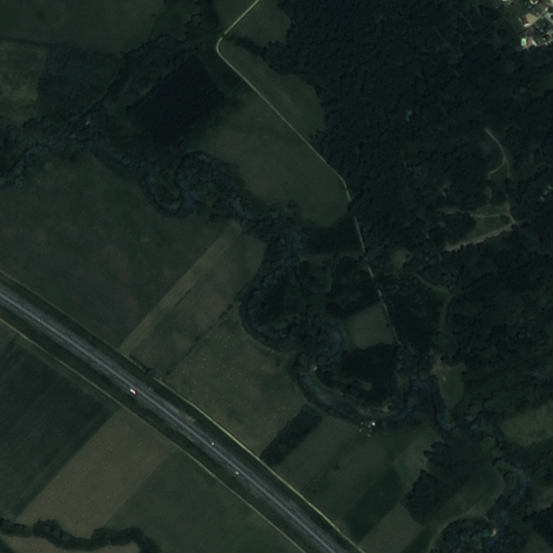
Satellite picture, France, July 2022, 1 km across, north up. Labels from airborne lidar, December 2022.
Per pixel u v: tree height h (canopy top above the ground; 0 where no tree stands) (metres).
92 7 0
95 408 0
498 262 14
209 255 0
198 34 11
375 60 40
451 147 5
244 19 0
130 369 0
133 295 0
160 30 0
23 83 0
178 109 0
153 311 0
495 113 7
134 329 0
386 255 7
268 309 23
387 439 0
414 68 37
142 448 0
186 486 0
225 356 0
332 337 27
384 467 0
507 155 0
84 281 0
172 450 0
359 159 37
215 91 0
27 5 0
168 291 0
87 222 0
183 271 0
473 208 8
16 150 16
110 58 5
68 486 0
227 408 0
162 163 17
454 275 0
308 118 0
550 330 0
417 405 18
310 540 0
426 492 32
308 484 0
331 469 0
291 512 0
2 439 0
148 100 6
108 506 0
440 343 15
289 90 0
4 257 0
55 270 0
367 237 29
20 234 0
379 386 10
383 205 41
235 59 0
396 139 39
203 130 7
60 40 0
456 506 0
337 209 0
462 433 16
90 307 0
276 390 0
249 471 0
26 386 0
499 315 11
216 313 0
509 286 9
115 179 0
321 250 12
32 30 0
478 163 31
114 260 0
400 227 25
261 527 0
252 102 0
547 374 37
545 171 16
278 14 0
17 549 0
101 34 0
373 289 10
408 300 11
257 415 0
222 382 0
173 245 0
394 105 39
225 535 0
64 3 0
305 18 37
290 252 28
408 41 19
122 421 0
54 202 0
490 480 0
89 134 19
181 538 0
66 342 0
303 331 33
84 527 0
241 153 0
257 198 0
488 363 13
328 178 0
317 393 0
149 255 0
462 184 32
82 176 0
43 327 0
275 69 19
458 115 35
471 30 18
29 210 0
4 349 0
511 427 0
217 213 13
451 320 9
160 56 6
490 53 29
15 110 0
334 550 0
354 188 16
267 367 0
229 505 0
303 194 0
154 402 0
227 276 0
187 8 0
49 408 0
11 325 0
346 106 37
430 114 37
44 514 0
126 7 0
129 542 6
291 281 11
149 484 0
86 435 0
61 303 0
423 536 0
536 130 19
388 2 33
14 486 0
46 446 0
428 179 18
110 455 0
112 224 0
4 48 0
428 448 0
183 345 0
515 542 16
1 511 0
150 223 0
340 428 0
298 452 0
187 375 0
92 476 0
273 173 0
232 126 0
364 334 0
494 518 6
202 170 16
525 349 6
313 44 33
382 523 0
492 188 11
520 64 7
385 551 0
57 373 0
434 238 22
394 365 11
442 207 16
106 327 0
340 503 0
